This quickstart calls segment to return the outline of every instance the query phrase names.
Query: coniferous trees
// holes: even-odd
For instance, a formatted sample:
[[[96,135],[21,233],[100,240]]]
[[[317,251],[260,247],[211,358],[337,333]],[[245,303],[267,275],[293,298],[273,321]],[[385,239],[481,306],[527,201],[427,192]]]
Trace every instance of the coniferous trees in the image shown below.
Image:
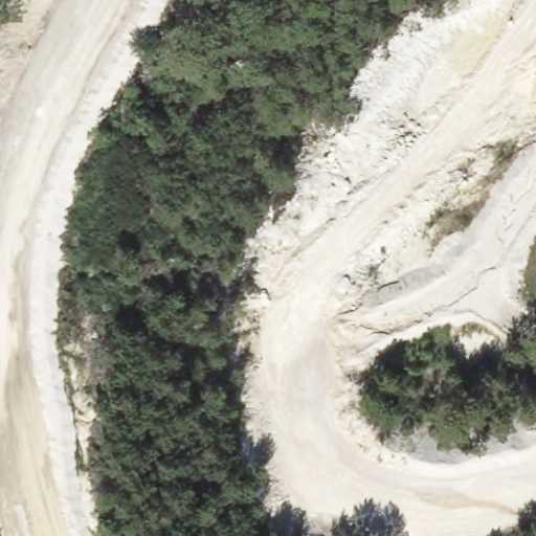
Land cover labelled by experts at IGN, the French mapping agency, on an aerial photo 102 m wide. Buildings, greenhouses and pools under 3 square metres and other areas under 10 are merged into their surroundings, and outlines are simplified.
[[[352,96],[350,90],[360,69],[371,61],[373,50],[389,42],[398,34],[402,19],[410,13],[423,13],[429,19],[444,17],[446,0],[170,0],[157,25],[136,29],[132,40],[132,48],[138,57],[134,73],[117,90],[111,107],[103,111],[103,119],[98,121],[98,126],[88,132],[90,144],[75,170],[73,203],[67,211],[67,226],[61,237],[65,266],[59,270],[59,287],[67,293],[77,291],[82,308],[94,316],[92,327],[96,339],[103,348],[107,348],[113,362],[113,366],[107,369],[105,383],[96,385],[96,415],[88,438],[88,479],[92,484],[94,513],[98,517],[98,536],[306,536],[308,526],[306,513],[302,509],[283,505],[276,515],[270,515],[270,511],[266,509],[264,503],[270,490],[270,475],[266,471],[266,463],[272,456],[272,440],[262,438],[260,442],[253,442],[245,427],[245,404],[241,400],[241,394],[245,387],[245,369],[253,354],[251,350],[237,350],[239,333],[235,331],[235,308],[245,299],[245,295],[251,295],[258,287],[258,258],[245,258],[245,243],[247,239],[255,237],[258,228],[264,224],[268,207],[285,205],[293,199],[297,191],[297,157],[302,153],[302,134],[306,126],[310,121],[322,121],[331,128],[341,130],[343,124],[354,124],[356,115],[362,111],[362,101],[358,96]]]
[[[517,526],[513,526],[511,530],[494,530],[490,536],[536,536],[536,500],[523,507]]]
[[[366,500],[362,507],[354,511],[354,515],[341,515],[339,521],[333,523],[331,536],[408,536],[404,530],[404,519],[396,505],[377,507],[373,500]]]

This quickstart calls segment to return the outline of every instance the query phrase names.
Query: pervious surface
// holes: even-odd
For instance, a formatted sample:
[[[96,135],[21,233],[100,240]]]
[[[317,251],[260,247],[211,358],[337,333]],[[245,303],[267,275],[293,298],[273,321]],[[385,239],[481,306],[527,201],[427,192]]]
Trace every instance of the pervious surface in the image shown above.
[[[132,48],[132,40],[136,29],[157,25],[170,0],[0,0],[0,536],[98,536],[98,517],[94,513],[92,484],[88,479],[88,438],[96,415],[96,385],[105,383],[107,369],[113,366],[113,362],[107,348],[103,348],[96,339],[92,327],[94,316],[82,308],[77,291],[67,293],[59,287],[59,270],[65,266],[61,237],[67,226],[67,211],[73,203],[75,170],[90,144],[88,132],[98,126],[98,121],[103,119],[103,111],[111,107],[117,90],[134,73],[138,57]]]
[[[245,258],[258,258],[258,287],[251,295],[245,295],[245,299],[235,308],[235,331],[239,333],[237,350],[251,350],[253,354],[245,369],[245,387],[241,394],[241,400],[245,404],[245,427],[253,442],[260,442],[262,438],[272,440],[272,456],[266,463],[266,471],[270,475],[270,490],[264,503],[266,509],[270,511],[270,515],[276,515],[283,505],[302,509],[306,513],[308,526],[306,536],[331,536],[333,523],[339,521],[341,515],[354,515],[354,511],[362,507],[366,500],[373,500],[377,507],[396,505],[404,519],[404,530],[408,536],[490,536],[494,530],[511,530],[513,526],[517,526],[523,507],[536,500],[536,299],[526,306],[519,295],[519,287],[523,285],[523,270],[528,266],[530,247],[536,237],[536,0],[446,0],[444,17],[429,19],[423,13],[410,13],[402,19],[398,34],[389,42],[373,50],[371,61],[360,69],[350,90],[352,96],[358,96],[362,101],[362,111],[356,115],[354,124],[343,124],[341,130],[331,128],[322,121],[310,121],[306,126],[302,134],[302,153],[297,157],[297,191],[293,199],[285,205],[268,207],[264,224],[258,228],[255,237],[247,239],[245,243]]]

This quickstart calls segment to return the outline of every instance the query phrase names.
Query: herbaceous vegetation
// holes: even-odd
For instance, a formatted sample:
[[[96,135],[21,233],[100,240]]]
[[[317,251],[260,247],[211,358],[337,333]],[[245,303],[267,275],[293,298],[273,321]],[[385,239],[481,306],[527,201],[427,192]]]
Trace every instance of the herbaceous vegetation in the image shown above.
[[[526,306],[536,299],[536,237],[530,247],[528,266],[523,270],[523,285],[519,287],[519,295]]]

